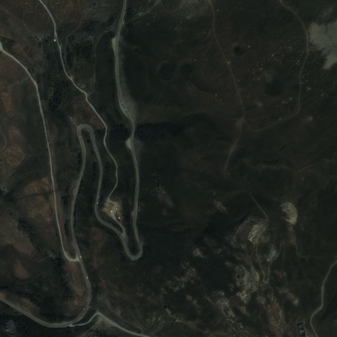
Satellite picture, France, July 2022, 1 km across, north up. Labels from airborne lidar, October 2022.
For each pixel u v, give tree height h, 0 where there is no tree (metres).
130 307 0
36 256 0
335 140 0
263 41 0
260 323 0
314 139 0
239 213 0
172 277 0
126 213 0
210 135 0
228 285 0
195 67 0
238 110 0
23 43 0
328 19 0
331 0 0
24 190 0
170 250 0
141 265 0
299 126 0
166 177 0
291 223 0
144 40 0
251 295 0
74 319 0
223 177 0
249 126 0
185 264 0
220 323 0
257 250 0
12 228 0
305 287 0
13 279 0
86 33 0
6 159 0
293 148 0
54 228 0
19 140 0
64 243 0
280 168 0
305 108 0
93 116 0
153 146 0
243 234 0
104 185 0
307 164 0
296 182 0
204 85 0
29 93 0
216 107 0
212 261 0
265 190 0
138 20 0
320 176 0
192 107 0
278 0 0
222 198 0
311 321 0
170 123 0
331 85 0
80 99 0
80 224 0
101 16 0
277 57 0
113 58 0
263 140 0
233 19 0
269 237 0
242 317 0
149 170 0
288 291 0
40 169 0
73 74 0
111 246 0
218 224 0
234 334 0
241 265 0
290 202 0
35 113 0
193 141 0
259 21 0
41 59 0
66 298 0
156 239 0
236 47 0
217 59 0
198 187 0
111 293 0
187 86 0
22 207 0
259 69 0
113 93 0
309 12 0
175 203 0
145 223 0
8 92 0
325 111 0
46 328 8
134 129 0
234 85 0
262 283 0
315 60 0
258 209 0
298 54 0
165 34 0
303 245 0
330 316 0
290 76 0
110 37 0
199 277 0
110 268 0
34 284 0
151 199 0
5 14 0
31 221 0
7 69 0
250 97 0
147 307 0
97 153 0
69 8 0
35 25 0
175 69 0
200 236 0
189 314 0
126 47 0
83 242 0
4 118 0
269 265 0
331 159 0
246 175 0
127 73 0
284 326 0
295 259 0
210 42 0
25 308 0
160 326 0
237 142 0
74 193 0
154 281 0
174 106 0
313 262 0
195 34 0
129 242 0
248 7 0
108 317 0
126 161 0
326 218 0
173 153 0
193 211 0
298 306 0
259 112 0
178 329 0
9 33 0
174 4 0
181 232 0
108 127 0
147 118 0
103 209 0
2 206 0
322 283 0
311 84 0
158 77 0
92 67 0
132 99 0
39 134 0
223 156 0
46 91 0
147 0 0
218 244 0
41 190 0
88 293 0
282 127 0
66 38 0
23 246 0
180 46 0
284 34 0
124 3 0
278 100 0
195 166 0
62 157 0
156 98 0
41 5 0
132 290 0
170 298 0
